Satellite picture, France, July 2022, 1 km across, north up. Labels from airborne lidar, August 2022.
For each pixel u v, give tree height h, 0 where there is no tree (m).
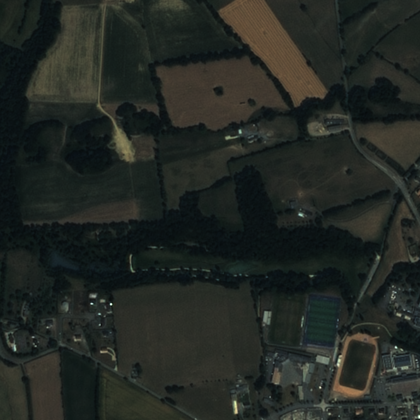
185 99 0
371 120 7
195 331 0
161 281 8
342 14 10
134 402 0
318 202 0
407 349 9
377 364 0
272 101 0
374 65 0
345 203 0
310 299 0
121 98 0
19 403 0
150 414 0
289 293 15
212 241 20
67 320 0
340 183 0
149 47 0
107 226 11
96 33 0
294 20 0
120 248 18
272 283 16
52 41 7
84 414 0
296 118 8
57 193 0
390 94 19
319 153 0
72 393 0
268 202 21
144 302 0
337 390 0
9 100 26
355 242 16
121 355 0
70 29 0
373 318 0
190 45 0
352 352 0
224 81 0
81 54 0
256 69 0
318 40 0
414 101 0
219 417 0
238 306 0
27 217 0
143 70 0
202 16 0
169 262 0
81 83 0
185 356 0
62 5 13
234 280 16
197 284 0
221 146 0
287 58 0
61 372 6
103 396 0
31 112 0
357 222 0
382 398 0
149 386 0
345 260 0
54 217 0
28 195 0
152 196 0
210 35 0
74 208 0
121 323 0
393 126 0
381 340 0
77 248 12
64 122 0
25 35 0
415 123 0
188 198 18
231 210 0
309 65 14
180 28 0
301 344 0
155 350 0
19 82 26
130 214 0
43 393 0
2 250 17
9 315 7
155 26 0
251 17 0
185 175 0
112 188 0
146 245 8
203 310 0
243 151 0
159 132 18
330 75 0
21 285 0
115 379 0
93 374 0
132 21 0
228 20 0
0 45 11
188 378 0
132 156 0
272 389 13
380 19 0
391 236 0
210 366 0
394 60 0
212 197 0
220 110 0
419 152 0
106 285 11
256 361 0
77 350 0
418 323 0
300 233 18
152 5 0
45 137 0
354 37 0
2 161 17
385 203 0
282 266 0
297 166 0
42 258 12
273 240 15
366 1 0
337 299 0
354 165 0
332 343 0
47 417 0
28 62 8
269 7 0
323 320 0
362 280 18
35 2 0
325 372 7
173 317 0
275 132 0
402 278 14
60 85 0
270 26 0
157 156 12
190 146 0
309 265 0
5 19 0
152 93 0
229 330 0
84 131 17
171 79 0
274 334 0
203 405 0
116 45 0
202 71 0
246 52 15
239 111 0
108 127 0
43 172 0
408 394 0
